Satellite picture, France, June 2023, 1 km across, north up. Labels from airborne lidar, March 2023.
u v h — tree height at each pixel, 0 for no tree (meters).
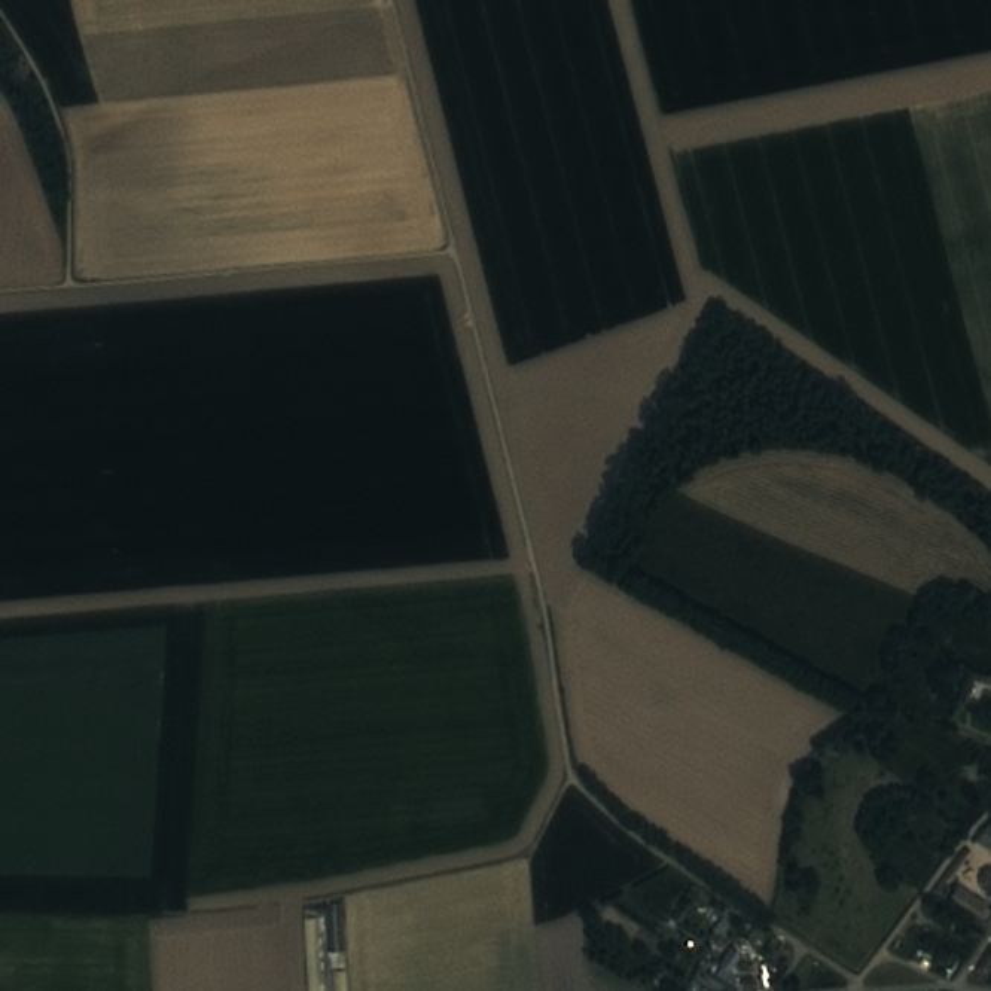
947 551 0
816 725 0
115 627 0
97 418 0
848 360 0
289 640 0
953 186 0
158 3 0
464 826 0
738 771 0
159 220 0
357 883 0
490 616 0
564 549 0
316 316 0
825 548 0
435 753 0
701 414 22
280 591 0
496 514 0
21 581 0
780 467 0
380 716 0
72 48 0
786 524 0
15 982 0
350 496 0
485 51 0
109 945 0
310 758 0
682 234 0
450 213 0
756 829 0
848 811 0
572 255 0
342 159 0
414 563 0
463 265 0
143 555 0
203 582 0
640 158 0
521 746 0
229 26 0
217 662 0
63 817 0
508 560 0
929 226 0
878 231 0
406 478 0
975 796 26
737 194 0
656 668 0
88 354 0
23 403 0
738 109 0
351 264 0
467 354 0
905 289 0
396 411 0
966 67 0
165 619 0
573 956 0
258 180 0
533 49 0
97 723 0
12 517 0
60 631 0
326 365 0
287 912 0
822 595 0
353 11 0
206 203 0
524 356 0
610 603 0
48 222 0
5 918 0
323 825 0
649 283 0
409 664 0
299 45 0
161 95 0
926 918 0
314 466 0
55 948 0
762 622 0
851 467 0
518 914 0
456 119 0
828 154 0
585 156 0
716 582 0
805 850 0
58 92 0
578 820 0
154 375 0
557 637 0
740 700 0
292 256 0
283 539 0
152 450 0
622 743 0
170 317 0
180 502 0
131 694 0
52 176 10
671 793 0
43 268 0
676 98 0
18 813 0
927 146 0
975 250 0
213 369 0
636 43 0
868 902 0
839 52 0
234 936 0
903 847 0
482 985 0
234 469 0
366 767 0
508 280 0
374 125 0
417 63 0
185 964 0
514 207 0
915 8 0
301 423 0
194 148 0
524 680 0
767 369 20
